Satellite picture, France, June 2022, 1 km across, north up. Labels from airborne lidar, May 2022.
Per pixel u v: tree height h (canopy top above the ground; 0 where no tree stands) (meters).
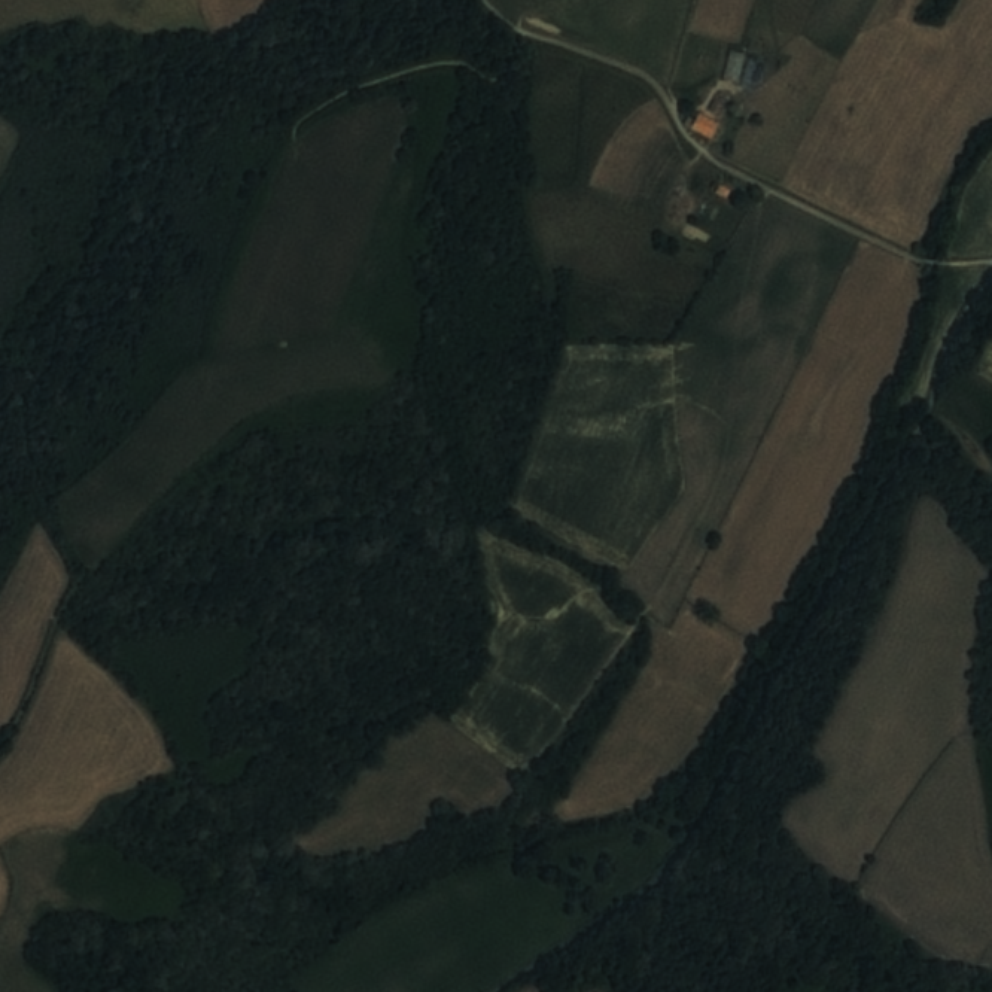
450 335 15
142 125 11
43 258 7
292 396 0
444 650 6
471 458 8
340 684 18
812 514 0
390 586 16
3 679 0
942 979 21
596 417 0
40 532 0
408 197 0
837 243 0
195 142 11
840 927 23
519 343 19
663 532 0
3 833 0
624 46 0
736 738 16
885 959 22
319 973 0
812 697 16
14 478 9
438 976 0
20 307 8
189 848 19
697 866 17
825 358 0
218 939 24
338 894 19
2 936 0
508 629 0
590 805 0
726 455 0
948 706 0
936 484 13
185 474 0
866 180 0
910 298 0
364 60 7
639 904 25
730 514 0
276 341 0
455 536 19
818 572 21
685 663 0
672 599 0
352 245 0
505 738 0
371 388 0
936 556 0
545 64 0
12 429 15
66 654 0
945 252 14
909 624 0
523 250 8
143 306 8
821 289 0
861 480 18
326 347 0
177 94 22
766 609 0
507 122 16
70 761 0
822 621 21
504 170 14
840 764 0
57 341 18
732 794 24
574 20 0
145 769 0
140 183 22
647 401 0
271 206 0
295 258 0
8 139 0
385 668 22
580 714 7
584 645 0
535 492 0
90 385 7
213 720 10
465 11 17
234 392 0
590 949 18
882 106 0
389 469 11
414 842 14
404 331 0
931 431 20
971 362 12
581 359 0
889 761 0
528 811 28
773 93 0
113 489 0
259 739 15
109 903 0
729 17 0
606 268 0
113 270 22
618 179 0
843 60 0
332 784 17
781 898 22
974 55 0
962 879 0
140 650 0
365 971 0
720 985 22
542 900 0
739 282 0
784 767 16
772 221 0
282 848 22
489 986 0
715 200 0
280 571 16
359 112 0
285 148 0
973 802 0
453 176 7
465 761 0
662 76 0
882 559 16
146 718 0
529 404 21
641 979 15
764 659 17
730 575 0
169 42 20
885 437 21
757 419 0
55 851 0
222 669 0
